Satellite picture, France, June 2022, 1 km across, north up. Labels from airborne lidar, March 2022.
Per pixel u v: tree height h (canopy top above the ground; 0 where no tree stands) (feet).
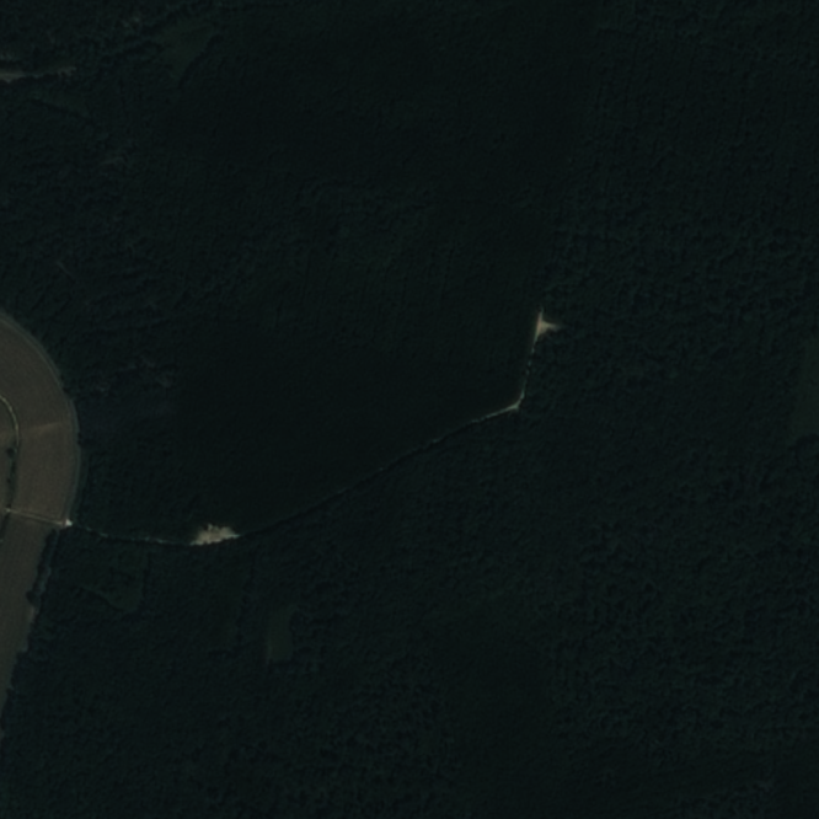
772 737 56
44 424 0
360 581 52
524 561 55
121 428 47
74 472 0
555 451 61
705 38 41
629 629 74
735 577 64
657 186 49
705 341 45
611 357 54
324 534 52
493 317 28
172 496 46
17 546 0
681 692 68
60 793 73
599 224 65
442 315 28
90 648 74
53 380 0
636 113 23
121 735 57
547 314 24
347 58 18
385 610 52
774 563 67
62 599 33
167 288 52
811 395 0
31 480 0
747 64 46
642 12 66
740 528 55
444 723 50
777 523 71
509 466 62
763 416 58
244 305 21
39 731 58
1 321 0
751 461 59
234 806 59
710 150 59
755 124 55
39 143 48
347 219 59
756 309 60
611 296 17
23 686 65
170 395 32
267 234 62
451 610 44
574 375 52
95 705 41
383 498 51
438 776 52
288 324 31
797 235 75
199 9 59
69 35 45
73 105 0
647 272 60
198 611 54
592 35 28
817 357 0
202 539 0
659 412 54
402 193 51
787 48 19
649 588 50
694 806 54
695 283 59
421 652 52
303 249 70
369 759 64
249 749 63
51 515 0
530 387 18
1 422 0
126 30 60
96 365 61
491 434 57
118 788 70
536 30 22
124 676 54
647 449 60
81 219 52
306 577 61
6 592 0
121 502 56
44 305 62
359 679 50
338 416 30
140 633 62
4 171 59
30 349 0
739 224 54
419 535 52
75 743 59
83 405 46
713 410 59
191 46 0
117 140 49
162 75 54
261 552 58
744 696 59
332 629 54
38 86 55
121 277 52
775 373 52
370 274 22
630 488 66
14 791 55
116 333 66
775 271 52
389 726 22
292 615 0
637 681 52
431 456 41
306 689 48
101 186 50
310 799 60
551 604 50
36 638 50
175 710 53
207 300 21
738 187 52
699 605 45
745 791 49
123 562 63
